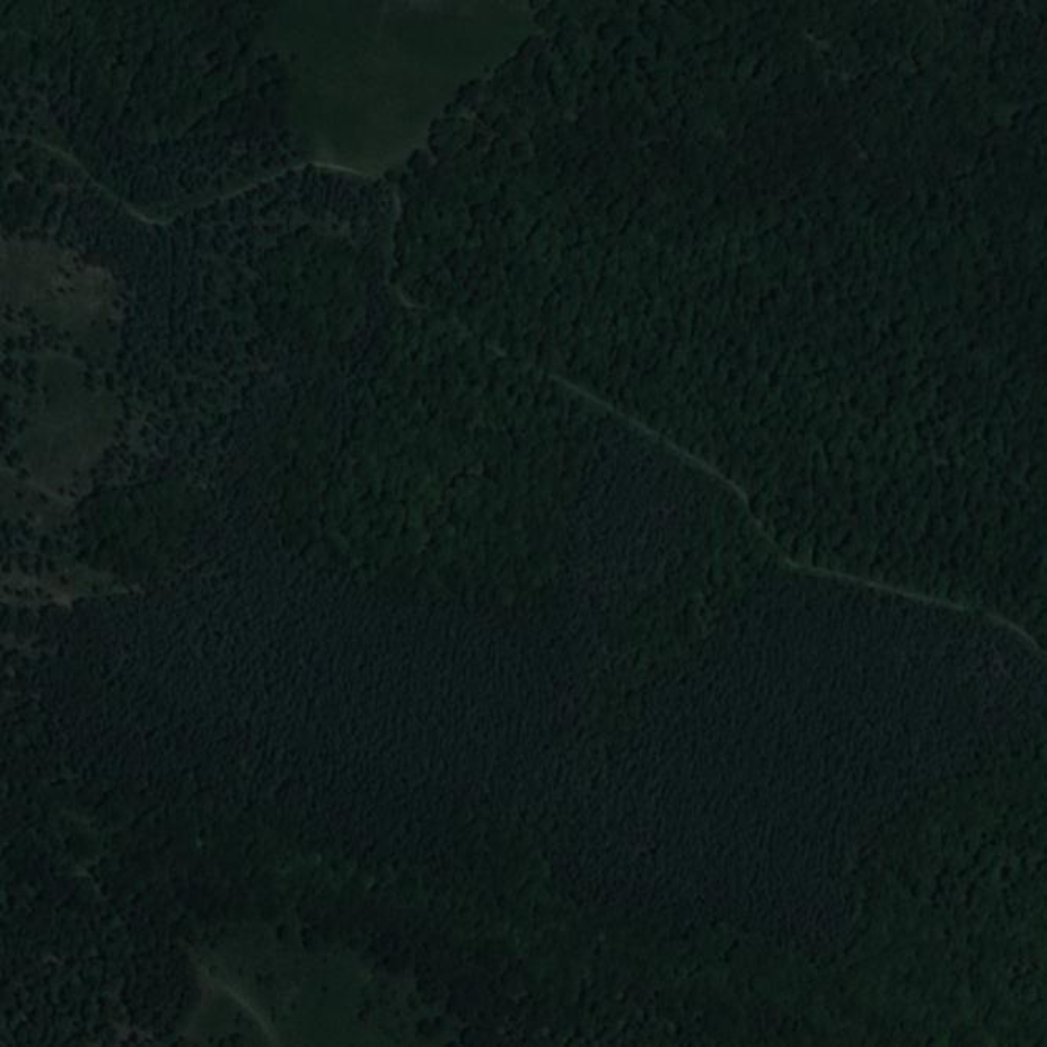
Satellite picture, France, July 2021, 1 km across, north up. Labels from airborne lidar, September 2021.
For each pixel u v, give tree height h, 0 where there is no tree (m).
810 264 24
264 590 25
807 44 35
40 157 22
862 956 23
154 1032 21
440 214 25
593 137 14
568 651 19
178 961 22
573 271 9
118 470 18
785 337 22
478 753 22
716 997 16
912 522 28
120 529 22
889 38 35
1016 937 22
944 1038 34
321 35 0
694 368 30
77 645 21
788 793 20
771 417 26
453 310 20
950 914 24
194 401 22
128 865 20
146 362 20
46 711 19
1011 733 16
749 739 21
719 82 30
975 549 25
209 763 19
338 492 29
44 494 0
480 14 0
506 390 24
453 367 29
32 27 26
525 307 27
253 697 24
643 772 22
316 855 26
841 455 26
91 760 13
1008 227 22
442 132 18
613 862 21
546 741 22
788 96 23
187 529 17
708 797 20
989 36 30
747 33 16
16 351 22
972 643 17
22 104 20
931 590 19
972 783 21
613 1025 21
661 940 29
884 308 24
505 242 25
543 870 24
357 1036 0
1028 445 24
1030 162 27
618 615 16
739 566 23
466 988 19
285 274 21
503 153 22
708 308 16
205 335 21
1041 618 20
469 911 25
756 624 18
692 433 20
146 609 21
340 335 25
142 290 22
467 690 18
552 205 29
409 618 22
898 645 19
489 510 29
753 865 17
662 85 29
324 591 24
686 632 23
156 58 28
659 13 34
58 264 0
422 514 31
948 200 15
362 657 25
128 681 25
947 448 25
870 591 6
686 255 22
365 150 0
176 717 24
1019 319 23
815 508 23
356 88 0
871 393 25
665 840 21
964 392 27
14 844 17
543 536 23
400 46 0
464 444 22
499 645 21
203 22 23
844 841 16
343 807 20
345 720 25
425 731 21
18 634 19
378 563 29
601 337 21
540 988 16
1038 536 17
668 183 21
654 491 18
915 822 18
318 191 20
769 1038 14
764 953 29
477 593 26
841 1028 14
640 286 16
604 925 29
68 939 23
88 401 0
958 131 24
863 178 25
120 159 17
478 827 24
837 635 22
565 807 21
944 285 20
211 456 20
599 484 20
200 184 21
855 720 20
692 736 23
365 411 26
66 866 16
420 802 22
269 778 19
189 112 26
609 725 19
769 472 25
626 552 17
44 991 23
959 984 16
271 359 21
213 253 22
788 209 30
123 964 24
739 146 21
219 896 18
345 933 20
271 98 25
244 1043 19
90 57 30
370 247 16
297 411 19
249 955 0
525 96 14
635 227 24
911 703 20
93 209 18
